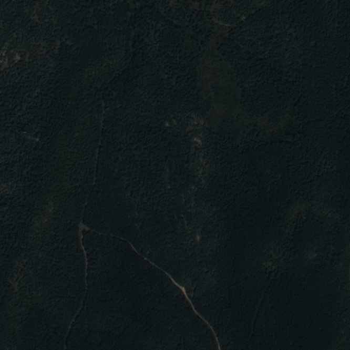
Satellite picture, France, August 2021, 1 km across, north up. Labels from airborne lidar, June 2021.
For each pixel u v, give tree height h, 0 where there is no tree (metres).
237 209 11
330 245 9
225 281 12
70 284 9
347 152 14
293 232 9
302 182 9
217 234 7
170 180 8
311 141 11
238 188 8
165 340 10
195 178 7
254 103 8
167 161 10
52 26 8
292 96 12
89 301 13
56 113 7
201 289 9
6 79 8
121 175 10
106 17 11
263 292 10
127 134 10
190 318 9
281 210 8
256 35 9
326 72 10
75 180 10
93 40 9
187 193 8
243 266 12
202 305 10
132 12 7
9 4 6
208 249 8
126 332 21
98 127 11
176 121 6
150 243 11
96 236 12
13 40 7
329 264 6
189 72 8
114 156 7
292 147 12
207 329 13
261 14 5
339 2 9
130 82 10
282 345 11
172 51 7
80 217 11
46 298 7
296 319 12
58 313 8
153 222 10
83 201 12
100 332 17
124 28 10
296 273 12
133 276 13
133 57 8
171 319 9
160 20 7
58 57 8
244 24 8
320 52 8
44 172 8
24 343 13
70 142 7
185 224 9
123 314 14
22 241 8
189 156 8
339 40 12
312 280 11
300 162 9
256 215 11
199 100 7
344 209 12
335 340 9
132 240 16
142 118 8
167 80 7
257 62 7
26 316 8
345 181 10
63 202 9
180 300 12
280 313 11
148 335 14
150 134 7
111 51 9
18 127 8
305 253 13
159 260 10
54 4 6
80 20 8
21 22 5
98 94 12
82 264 7
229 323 10
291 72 7
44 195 7
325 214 8
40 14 6
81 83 9
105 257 11
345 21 8
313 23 9
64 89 10
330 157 7
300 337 10
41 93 6
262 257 10
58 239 9
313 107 10
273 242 8
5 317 8
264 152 10
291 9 8
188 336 7
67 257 9
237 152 9
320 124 10
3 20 7
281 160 11
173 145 15
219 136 9
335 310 12
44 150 8
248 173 11
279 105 8
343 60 12
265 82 10
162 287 14
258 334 11
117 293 19
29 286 9
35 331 10
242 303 13
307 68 11
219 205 10
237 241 12
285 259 6
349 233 8
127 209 12
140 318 15
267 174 6
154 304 17
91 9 8
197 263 8
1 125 8
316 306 13
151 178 8
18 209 6
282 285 13
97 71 11
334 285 10
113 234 13
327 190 9
